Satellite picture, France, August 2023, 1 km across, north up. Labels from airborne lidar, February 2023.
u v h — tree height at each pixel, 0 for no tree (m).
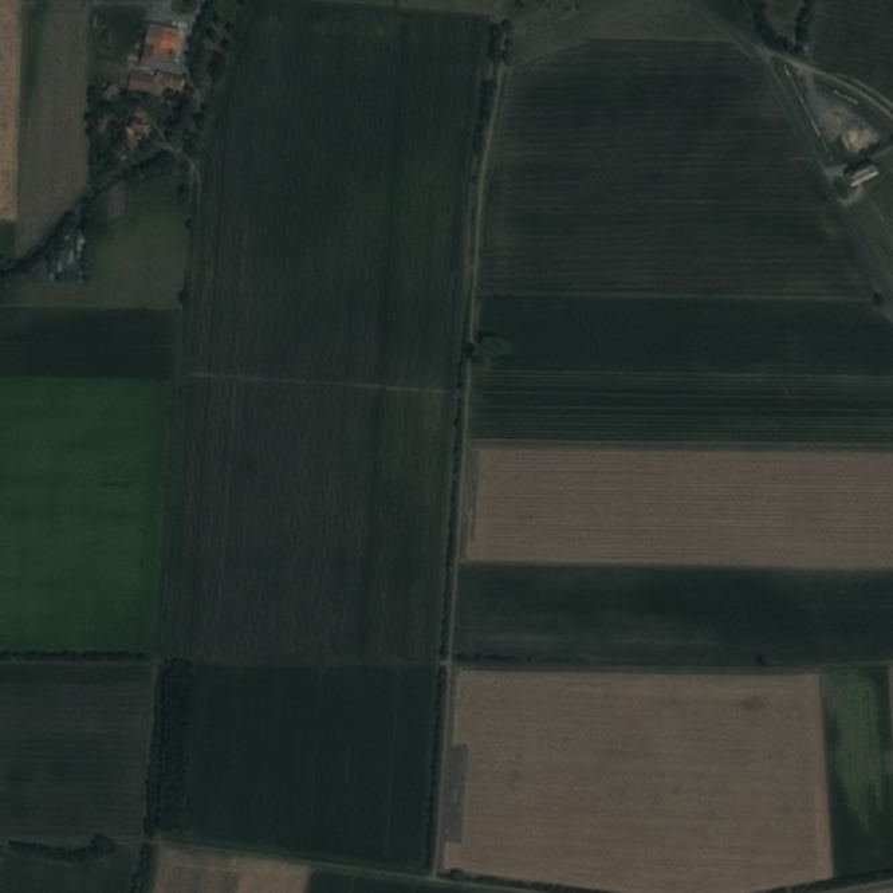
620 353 0
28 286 0
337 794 0
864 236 0
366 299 0
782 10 0
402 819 0
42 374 0
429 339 0
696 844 0
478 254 0
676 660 0
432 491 0
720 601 0
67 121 0
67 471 0
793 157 0
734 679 0
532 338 0
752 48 0
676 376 0
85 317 0
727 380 0
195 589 0
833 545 0
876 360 0
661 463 0
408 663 0
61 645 0
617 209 0
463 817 0
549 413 0
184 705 11
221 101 0
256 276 0
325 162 0
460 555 0
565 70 0
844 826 0
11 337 0
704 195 0
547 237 0
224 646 0
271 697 0
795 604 0
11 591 0
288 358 0
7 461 0
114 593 0
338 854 0
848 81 0
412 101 0
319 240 0
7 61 0
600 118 0
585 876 0
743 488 0
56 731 0
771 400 0
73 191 0
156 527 0
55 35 0
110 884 0
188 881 0
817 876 0
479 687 0
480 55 0
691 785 0
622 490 0
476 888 0
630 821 0
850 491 0
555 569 0
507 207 0
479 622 0
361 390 0
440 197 0
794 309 0
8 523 0
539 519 0
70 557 0
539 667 0
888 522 0
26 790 0
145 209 0
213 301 0
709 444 0
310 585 0
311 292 0
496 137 0
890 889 0
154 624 0
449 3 0
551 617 0
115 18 0
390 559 0
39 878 0
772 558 0
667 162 0
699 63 0
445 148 0
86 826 0
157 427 0
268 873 0
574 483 0
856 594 0
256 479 0
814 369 0
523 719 0
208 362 0
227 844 0
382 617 0
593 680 0
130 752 0
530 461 0
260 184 0
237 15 0
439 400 0
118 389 0
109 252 0
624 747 0
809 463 0
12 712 0
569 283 0
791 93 0
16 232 0
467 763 0
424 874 0
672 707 0
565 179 0
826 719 0
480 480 0
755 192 0
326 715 0
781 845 0
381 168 0
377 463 0
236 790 0
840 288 0
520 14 0
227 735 0
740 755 0
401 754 0
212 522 0
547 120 0
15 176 0
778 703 0
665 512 0
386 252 0
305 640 0
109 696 0
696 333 0
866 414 0
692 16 0
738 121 0
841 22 0
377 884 0
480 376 0
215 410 0
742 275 0
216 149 0
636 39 0
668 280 0
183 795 11
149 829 9
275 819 0
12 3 0
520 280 0
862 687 0
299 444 0
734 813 0
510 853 0
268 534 0
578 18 0
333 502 0
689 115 0
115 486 0
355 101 0
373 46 0
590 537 0
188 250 0
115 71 0
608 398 0
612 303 0
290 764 0
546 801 0
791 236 0
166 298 0
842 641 0
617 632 0
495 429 0
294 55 0
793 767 0
